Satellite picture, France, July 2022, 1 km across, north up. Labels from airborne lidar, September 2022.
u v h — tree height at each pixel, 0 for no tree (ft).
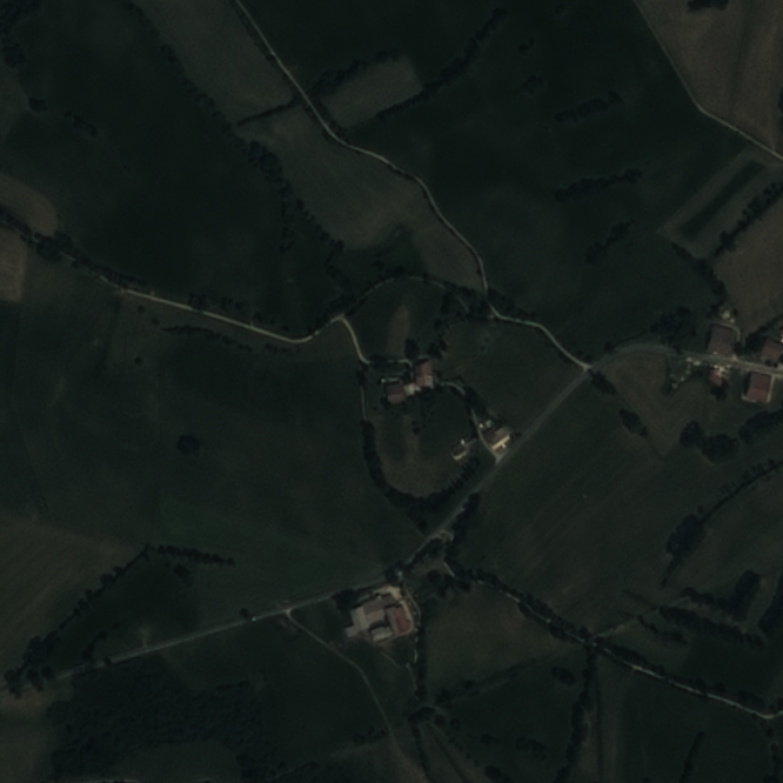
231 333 0
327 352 0
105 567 0
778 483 0
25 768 0
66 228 0
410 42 0
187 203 0
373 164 0
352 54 0
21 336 0
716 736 0
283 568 0
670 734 0
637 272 0
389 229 0
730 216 0
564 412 0
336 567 0
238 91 0
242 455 0
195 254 0
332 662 0
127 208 0
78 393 0
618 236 60
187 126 0
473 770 0
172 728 20
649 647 0
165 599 0
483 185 0
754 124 0
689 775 24
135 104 0
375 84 0
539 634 0
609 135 0
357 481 0
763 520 0
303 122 0
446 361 0
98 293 0
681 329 51
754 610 0
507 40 0
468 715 0
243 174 0
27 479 0
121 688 0
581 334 0
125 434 0
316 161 0
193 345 0
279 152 0
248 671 0
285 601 0
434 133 0
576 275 0
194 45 0
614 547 0
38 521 0
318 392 0
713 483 0
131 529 0
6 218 32
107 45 0
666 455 0
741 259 0
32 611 0
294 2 0
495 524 0
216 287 0
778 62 0
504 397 0
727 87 0
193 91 22
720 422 0
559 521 0
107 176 0
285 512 0
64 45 0
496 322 34
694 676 0
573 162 0
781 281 0
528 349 0
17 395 0
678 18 0
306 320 0
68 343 0
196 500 0
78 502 0
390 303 0
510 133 0
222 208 0
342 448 0
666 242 0
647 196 0
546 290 0
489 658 0
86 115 0
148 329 0
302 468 0
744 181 0
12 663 0
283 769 28
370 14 0
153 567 0
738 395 0
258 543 0
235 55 0
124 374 0
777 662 0
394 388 0
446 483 0
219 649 0
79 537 0
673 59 0
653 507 0
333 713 0
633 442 0
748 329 0
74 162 0
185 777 0
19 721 0
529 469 0
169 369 0
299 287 0
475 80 0
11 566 0
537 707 0
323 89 37
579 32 0
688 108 0
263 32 0
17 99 0
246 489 0
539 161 0
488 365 0
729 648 0
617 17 0
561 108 0
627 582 0
